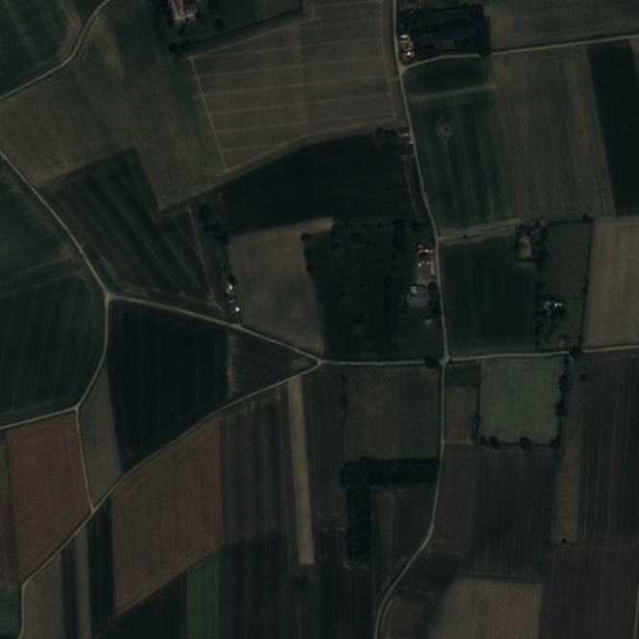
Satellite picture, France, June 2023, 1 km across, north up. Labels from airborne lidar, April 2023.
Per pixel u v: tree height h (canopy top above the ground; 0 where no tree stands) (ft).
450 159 0
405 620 0
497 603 0
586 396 0
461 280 0
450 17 0
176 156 0
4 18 0
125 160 0
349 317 0
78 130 0
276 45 0
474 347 0
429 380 0
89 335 0
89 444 0
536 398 0
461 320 0
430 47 24
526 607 0
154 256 0
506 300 0
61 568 0
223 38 0
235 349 0
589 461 0
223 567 0
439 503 0
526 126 0
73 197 0
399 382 0
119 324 0
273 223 0
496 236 0
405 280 0
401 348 0
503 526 0
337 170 0
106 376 0
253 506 0
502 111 0
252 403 0
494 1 0
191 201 0
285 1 0
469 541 0
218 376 0
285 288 0
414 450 0
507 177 0
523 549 0
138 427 0
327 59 0
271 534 0
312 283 0
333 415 0
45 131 0
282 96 0
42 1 0
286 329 0
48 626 0
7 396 0
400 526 0
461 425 0
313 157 0
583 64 0
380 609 0
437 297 21
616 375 0
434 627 0
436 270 0
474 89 0
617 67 0
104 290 0
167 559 0
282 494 0
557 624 0
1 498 0
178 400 0
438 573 0
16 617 0
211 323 0
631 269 0
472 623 0
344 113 0
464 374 0
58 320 0
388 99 0
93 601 0
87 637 0
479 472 0
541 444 0
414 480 25
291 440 0
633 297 0
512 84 0
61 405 0
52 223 0
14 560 0
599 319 0
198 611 0
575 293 0
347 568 0
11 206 0
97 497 0
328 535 0
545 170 0
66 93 0
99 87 0
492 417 0
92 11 0
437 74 0
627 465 0
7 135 0
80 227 0
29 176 0
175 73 0
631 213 0
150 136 0
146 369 0
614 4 0
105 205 0
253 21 0
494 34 0
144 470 0
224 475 0
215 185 0
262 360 0
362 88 0
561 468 0
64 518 0
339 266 0
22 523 0
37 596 0
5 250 0
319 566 0
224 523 0
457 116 0
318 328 0
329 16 0
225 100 0
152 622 0
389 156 0
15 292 0
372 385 0
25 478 0
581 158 0
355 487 35
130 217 0
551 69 0
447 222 0
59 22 0
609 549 0
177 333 0
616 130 0
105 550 0
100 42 0
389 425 0
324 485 0
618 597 0
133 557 0
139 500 0
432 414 0
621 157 0
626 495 0
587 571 0
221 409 0
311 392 0
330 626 0
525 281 0
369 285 0
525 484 0
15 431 0
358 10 0
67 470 0
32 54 0
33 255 0
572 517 0
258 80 0
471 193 0
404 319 0
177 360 0
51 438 0
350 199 0
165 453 0
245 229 0
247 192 0
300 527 0
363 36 0
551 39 0
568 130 0
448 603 0
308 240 37
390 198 0
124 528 0
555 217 0
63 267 0
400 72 0
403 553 0
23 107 0
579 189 0
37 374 0
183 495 0
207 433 0
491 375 0
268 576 0
